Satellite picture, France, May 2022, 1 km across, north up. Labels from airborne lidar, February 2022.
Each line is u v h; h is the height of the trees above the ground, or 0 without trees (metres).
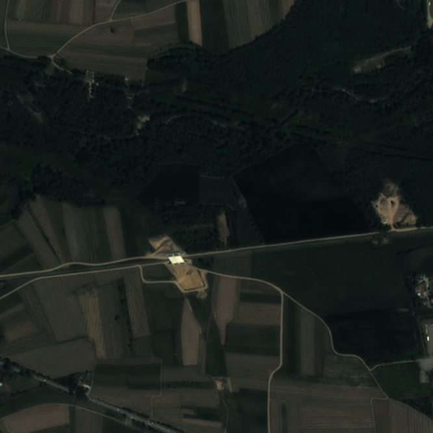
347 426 0
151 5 0
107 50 0
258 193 0
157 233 0
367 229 0
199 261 8
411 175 0
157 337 0
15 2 0
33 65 6
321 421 0
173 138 17
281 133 8
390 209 0
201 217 6
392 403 0
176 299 0
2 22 0
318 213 0
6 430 0
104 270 0
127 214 0
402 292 0
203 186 0
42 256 0
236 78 23
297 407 0
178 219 13
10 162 0
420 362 0
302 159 0
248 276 0
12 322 0
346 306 0
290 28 0
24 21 0
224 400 0
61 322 0
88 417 0
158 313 0
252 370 0
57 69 6
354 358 0
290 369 0
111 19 0
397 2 0
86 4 0
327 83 20
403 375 0
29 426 0
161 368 0
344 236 0
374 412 0
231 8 0
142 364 0
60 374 0
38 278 0
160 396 0
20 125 17
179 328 0
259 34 0
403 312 0
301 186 0
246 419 0
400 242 0
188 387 0
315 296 0
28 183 11
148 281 0
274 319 0
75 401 0
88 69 0
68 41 0
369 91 20
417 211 11
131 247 0
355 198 8
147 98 0
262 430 0
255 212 0
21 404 0
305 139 7
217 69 24
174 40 0
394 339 0
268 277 0
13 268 0
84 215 0
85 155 36
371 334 0
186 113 19
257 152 15
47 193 12
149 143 17
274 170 0
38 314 0
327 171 0
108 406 0
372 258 0
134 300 0
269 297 0
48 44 0
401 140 13
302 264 0
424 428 0
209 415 0
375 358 6
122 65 0
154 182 0
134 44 0
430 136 18
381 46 14
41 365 0
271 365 0
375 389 0
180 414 0
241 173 0
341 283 0
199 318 0
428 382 0
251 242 0
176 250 0
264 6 0
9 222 0
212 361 0
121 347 0
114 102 13
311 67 6
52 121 15
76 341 0
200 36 0
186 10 0
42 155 0
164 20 0
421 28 13
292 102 19
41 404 0
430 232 0
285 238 0
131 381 0
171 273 0
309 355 0
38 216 0
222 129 10
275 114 0
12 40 0
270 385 0
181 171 0
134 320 0
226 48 0
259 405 0
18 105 23
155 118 18
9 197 0
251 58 20
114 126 27
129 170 11
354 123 0
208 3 0
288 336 0
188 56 18
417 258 0
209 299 0
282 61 16
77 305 0
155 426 0
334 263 0
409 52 0
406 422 0
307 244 0
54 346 0
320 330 0
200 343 0
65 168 0
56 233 0
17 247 0
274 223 0
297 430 0
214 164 18
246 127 17
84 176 0
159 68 12
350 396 0
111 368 0
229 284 0
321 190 0
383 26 0
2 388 0
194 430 0
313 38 8
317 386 0
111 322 0
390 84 16
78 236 0
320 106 22
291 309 0
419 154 0
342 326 0
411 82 17
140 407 0
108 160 20
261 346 0
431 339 0
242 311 0
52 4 0
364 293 0
